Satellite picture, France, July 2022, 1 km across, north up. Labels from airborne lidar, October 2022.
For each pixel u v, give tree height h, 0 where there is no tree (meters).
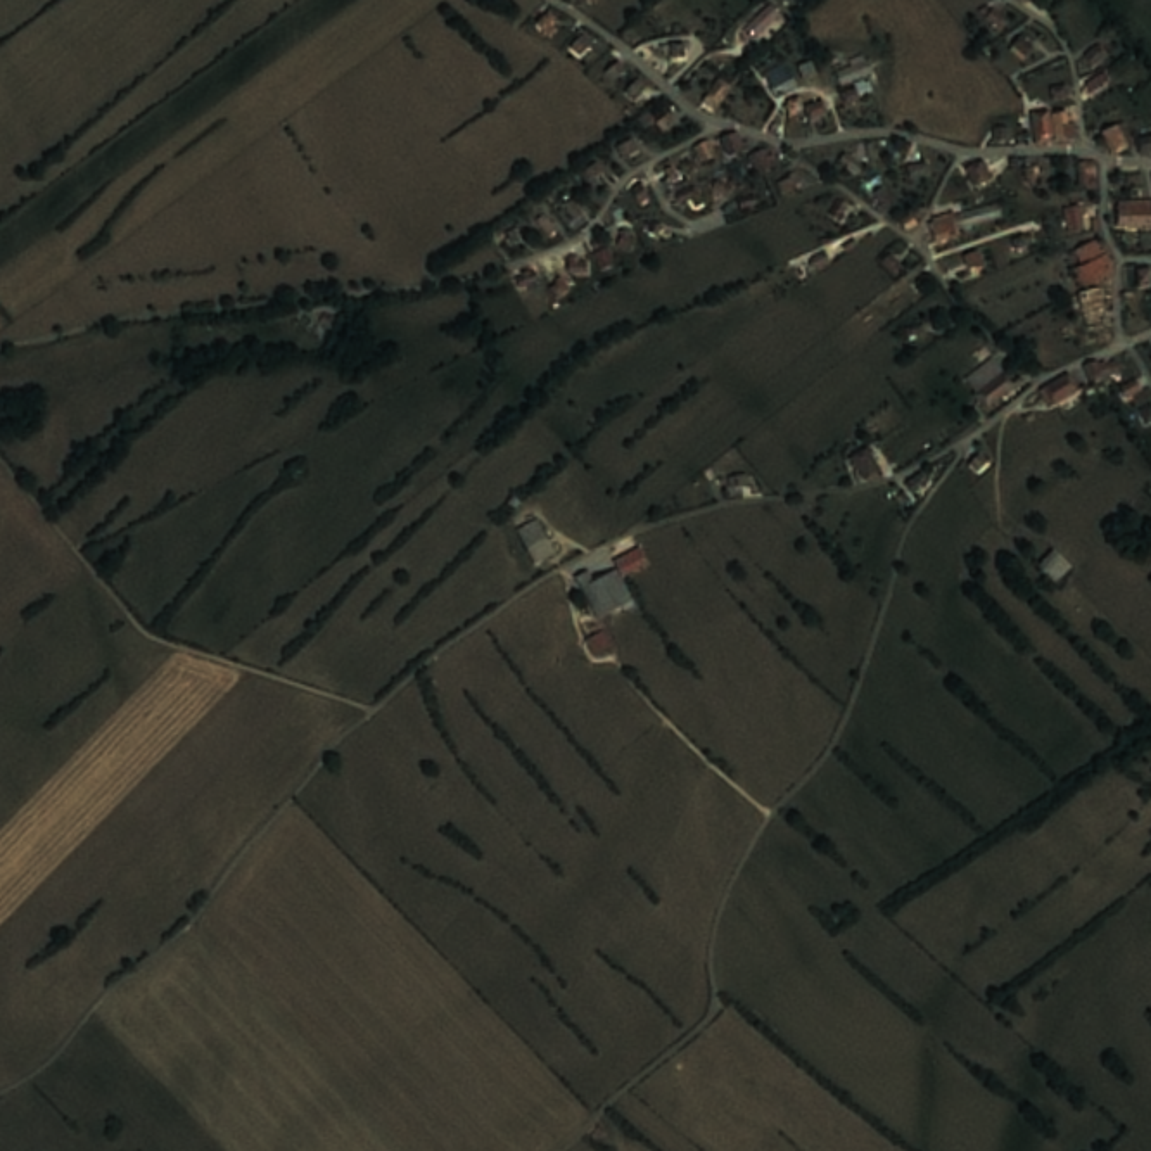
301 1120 0
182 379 10
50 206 0
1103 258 0
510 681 0
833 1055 0
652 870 0
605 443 0
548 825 0
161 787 0
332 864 0
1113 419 0
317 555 0
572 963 0
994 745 0
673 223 0
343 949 0
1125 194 7
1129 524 21
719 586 0
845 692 0
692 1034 0
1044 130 0
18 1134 0
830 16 0
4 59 0
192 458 0
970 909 0
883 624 0
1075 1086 11
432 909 0
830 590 0
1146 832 0
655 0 17
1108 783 0
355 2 0
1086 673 0
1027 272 0
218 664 0
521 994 0
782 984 0
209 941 0
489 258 0
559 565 0
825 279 0
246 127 0
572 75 0
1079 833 0
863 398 0
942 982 0
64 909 0
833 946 0
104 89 0
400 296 9
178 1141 0
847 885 0
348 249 0
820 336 0
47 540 0
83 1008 0
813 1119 0
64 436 0
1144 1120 0
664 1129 0
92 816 0
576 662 0
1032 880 0
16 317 0
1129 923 0
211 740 0
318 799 0
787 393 0
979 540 0
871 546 0
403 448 0
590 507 0
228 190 0
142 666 0
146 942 0
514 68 8
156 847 0
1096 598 0
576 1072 0
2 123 0
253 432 0
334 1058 0
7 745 0
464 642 0
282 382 0
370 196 0
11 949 0
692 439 0
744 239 0
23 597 0
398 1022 0
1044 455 0
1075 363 0
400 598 0
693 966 0
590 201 11
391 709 0
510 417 15
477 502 0
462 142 0
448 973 0
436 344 0
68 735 0
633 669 10
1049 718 0
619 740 0
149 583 0
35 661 0
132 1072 0
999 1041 0
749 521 0
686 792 0
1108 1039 0
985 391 0
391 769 0
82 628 0
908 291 0
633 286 0
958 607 0
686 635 0
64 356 0
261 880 0
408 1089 0
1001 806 0
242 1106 0
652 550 0
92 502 0
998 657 0
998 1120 0
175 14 0
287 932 0
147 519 6
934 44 0
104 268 0
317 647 0
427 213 0
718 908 0
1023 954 0
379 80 0
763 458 0
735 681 0
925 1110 0
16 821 0
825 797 0
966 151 0
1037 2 13
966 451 0
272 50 0
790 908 0
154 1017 0
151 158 0
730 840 0
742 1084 0
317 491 0
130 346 0
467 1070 0
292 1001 0
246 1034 0
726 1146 0
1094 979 0
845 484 10
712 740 0
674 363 0
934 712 0
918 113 0
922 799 0
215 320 14
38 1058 0
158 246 0
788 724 0
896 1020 0
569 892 0
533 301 0
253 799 0
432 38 0
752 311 0
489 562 0
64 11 0
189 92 0
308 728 0
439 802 0
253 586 0
